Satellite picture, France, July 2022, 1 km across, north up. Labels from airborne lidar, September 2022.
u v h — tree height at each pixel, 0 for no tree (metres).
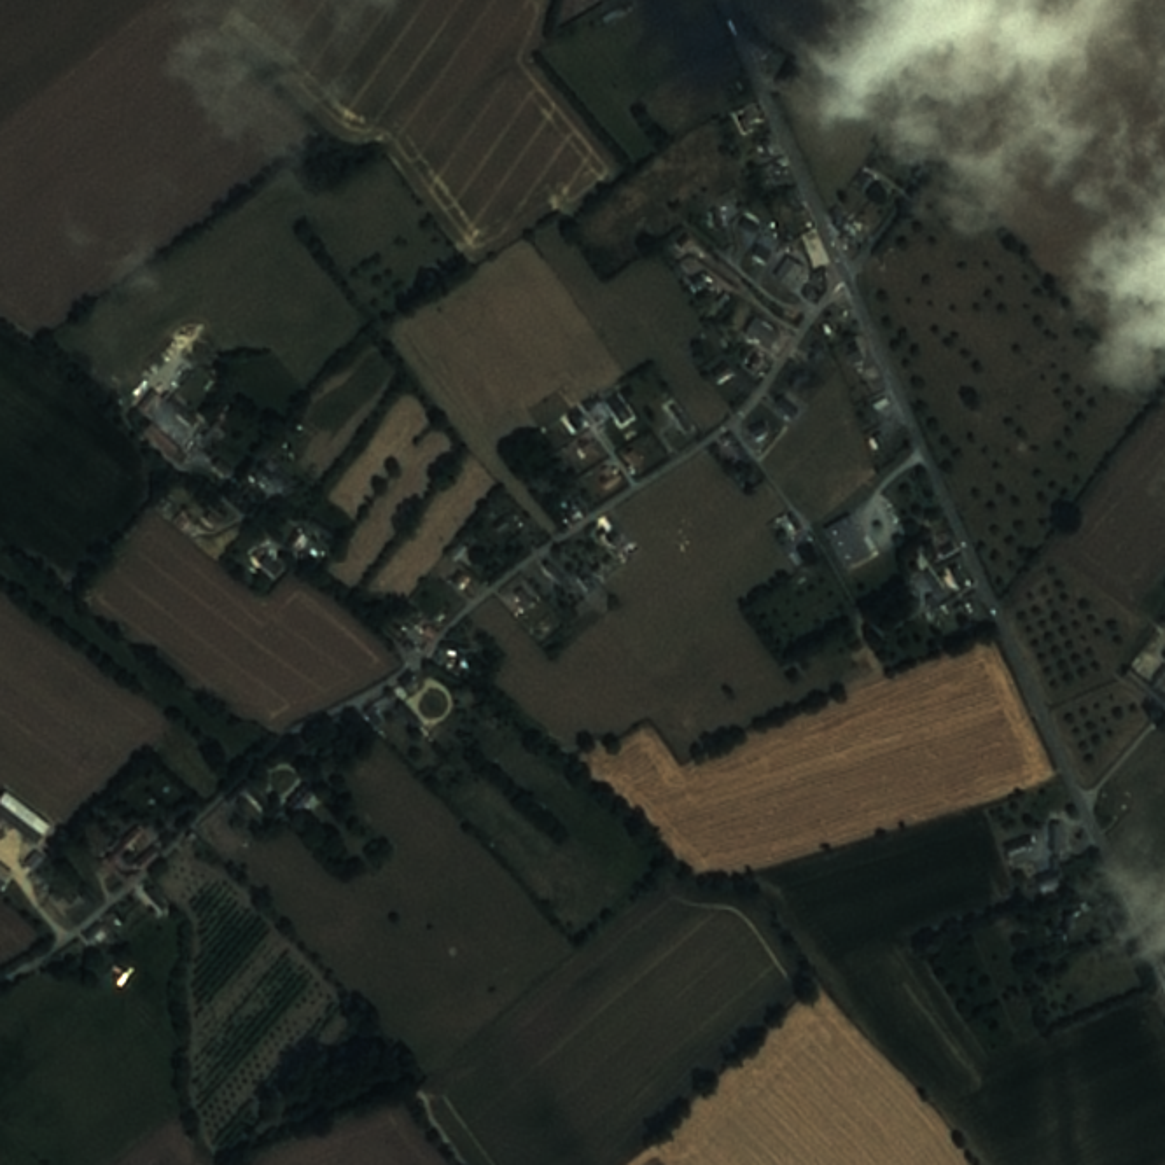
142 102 0
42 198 0
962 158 0
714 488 0
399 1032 0
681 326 0
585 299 0
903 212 17
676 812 0
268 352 7
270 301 0
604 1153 0
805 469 0
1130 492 0
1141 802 0
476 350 0
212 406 9
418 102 0
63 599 20
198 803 13
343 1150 0
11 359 0
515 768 0
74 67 0
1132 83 0
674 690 0
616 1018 0
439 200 0
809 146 0
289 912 0
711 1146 0
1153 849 0
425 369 0
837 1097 0
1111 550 0
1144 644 0
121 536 11
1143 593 0
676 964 0
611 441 0
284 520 8
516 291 0
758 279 0
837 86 0
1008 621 0
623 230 0
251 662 0
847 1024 0
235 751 0
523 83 0
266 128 0
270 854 0
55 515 0
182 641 0
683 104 0
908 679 0
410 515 18
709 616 0
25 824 0
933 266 0
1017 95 0
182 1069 16
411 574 0
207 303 0
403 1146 0
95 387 12
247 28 0
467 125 0
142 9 0
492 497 7
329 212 0
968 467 0
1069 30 0
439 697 0
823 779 0
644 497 0
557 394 0
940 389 0
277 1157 0
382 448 0
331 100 0
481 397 0
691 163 0
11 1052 0
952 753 0
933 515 11
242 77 0
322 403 0
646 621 0
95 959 17
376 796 0
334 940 0
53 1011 0
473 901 0
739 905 0
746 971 0
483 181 0
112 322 0
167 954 0
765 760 0
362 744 24
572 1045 0
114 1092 0
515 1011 0
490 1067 0
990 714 0
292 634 0
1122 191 0
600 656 0
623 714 0
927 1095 12
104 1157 0
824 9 0
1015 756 0
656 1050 0
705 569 0
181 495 0
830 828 0
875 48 0
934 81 11
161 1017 0
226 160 0
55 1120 0
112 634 13
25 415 0
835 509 0
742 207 7
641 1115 0
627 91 0
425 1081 14
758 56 0
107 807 11
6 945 0
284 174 14
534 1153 0
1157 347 0
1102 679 0
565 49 0
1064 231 0
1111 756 0
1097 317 0
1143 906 0
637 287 0
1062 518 18
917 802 0
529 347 0
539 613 0
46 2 0
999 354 0
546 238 0
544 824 11
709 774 0
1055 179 0
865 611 20
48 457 0
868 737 0
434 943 0
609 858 0
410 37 0
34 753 0
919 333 0
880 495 0
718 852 0
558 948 0
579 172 0
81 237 0
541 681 0
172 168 0
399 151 0
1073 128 0
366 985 0
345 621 0
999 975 0
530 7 0
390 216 0
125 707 0
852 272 0
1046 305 0
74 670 0
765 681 0
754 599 13
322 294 0
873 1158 0
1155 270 0
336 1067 32
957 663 0
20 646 0
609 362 0
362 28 0
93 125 0
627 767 0
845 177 0
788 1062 0
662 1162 0
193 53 0
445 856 0
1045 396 0
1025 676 0
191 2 0
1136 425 8
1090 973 0
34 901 0
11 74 0
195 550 0
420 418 0
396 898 0
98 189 0
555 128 0
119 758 0
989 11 0
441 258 0
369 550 0
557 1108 0
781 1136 0
